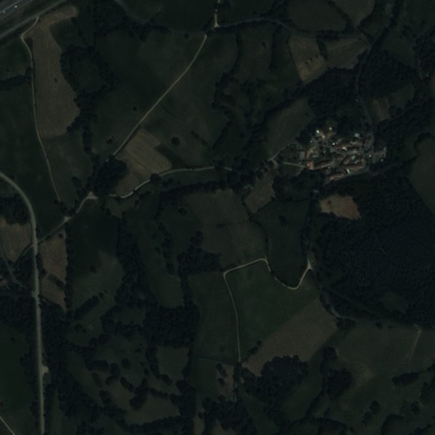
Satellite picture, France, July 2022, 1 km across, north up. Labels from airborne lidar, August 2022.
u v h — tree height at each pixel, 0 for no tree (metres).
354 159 0
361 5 0
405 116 20
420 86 23
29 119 0
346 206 0
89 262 0
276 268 0
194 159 0
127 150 0
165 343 21
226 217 0
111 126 0
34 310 14
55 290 0
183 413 22
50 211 0
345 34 14
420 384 0
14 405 0
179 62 0
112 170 9
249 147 14
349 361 0
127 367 20
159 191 0
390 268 25
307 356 0
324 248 9
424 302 24
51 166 0
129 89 0
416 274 27
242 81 0
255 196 0
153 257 0
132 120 0
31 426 0
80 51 14
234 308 0
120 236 15
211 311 0
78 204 12
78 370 0
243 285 0
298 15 0
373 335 0
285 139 0
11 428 0
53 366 19
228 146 0
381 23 0
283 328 0
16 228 0
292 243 0
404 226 26
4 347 0
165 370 0
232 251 0
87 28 0
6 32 0
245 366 0
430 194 0
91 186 16
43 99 0
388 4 0
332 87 7
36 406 17
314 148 0
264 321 0
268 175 0
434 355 0
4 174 0
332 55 0
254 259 0
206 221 0
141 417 0
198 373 0
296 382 6
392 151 7
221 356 0
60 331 22
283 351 0
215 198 0
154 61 0
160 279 0
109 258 0
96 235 0
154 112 0
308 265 0
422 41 9
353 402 0
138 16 0
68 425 0
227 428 15
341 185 6
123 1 0
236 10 0
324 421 17
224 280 0
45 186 0
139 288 21
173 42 0
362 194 5
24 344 0
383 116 0
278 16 7
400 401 0
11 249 0
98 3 6
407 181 23
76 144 0
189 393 20
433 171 0
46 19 0
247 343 0
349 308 17
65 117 0
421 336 0
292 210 0
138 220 0
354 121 0
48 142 0
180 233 0
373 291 11
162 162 0
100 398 7
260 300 0
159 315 22
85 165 0
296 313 0
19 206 19
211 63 0
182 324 22
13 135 0
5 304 15
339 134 12
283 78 0
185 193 15
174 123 0
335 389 19
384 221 9
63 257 0
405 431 0
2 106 0
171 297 0
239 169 13
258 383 13
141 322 0
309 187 0
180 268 10
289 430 11
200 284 0
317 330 0
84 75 0
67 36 0
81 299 0
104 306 0
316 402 18
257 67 0
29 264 16
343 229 10
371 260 25
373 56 17
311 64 0
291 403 0
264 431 0
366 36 13
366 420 18
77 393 16
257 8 0
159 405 0
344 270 20
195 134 7
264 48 14
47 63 0
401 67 21
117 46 0
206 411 19
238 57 7
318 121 8
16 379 0
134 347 0
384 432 11
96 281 0
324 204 0
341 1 0
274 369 22
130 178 0
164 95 0
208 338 0
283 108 13
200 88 0
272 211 0
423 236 26
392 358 0
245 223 0
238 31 8
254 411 0
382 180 25
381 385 0
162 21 0
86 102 15
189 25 0
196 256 13
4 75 0
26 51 0
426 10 0
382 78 18
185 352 0
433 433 0
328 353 23
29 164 0
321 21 0
